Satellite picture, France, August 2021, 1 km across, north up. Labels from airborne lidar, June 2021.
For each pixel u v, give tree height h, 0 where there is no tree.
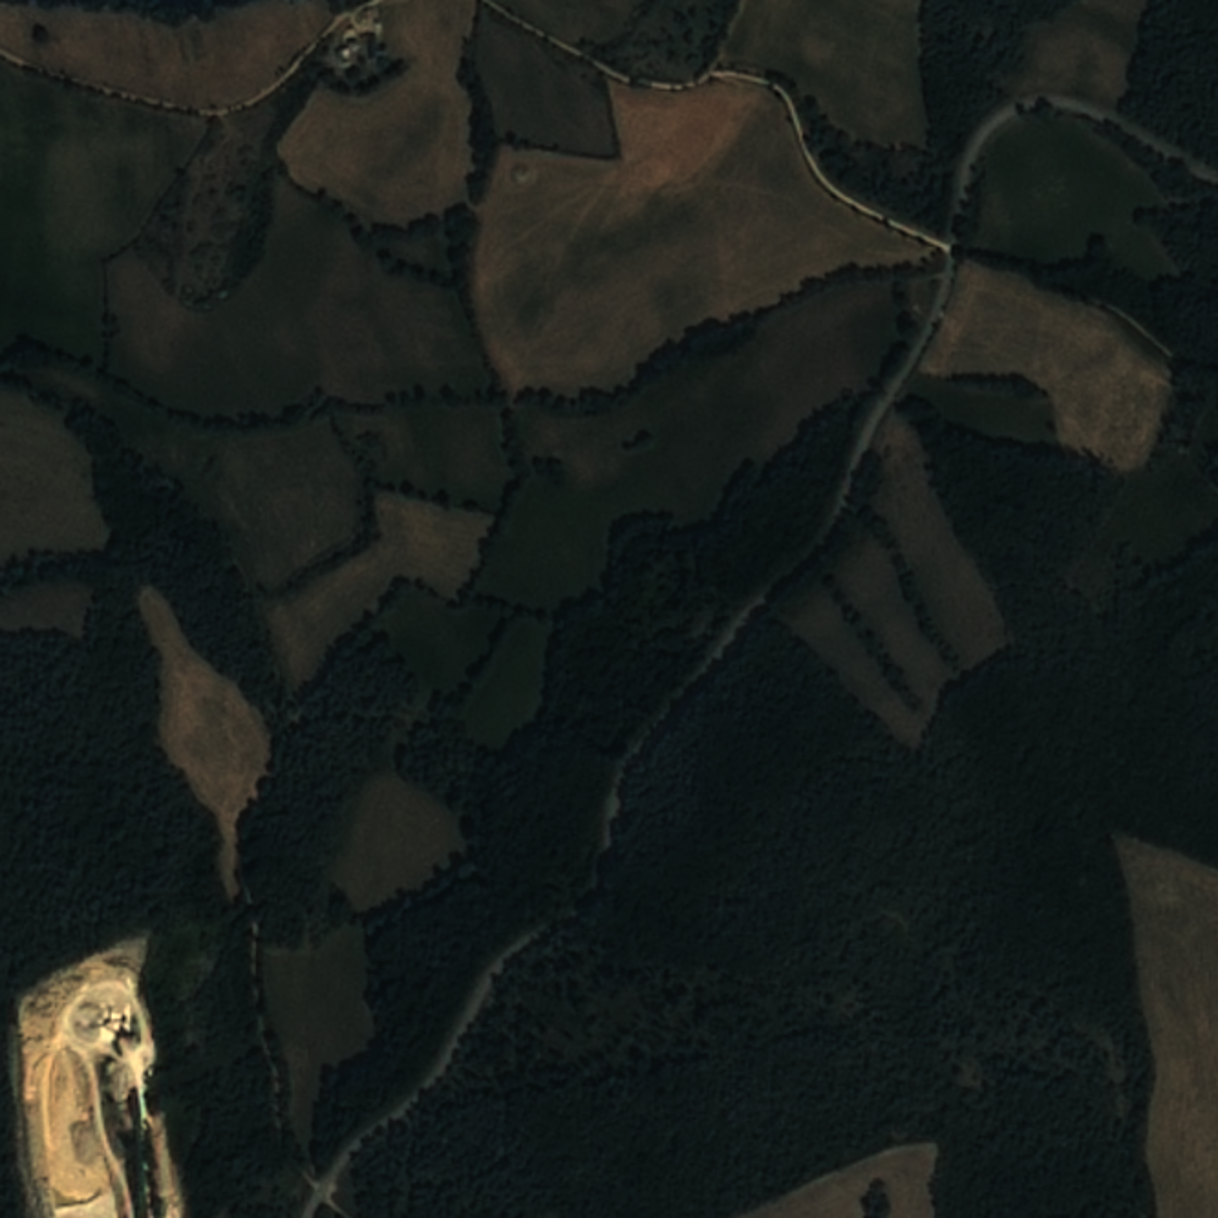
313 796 16
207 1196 9
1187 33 16
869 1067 11
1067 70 0
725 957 15
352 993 0
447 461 0
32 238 0
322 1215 11
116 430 16
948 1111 10
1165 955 0
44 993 0
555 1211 14
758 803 16
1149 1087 8
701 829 16
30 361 16
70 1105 0
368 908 0
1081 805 16
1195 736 16
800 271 0
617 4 0
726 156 0
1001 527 14
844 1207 0
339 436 6
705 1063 16
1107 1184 13
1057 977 10
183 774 8
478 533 0
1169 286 14
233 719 0
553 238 0
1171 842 14
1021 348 0
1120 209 0
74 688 10
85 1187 0
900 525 0
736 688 18
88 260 0
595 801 19
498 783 18
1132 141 14
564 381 0
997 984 10
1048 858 24
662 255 0
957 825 9
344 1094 18
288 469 0
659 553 11
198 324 0
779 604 11
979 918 11
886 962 10
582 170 0
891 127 0
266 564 0
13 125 0
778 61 0
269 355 0
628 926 23
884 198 11
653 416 0
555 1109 14
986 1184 7
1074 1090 12
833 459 14
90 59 0
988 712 19
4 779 10
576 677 10
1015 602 11
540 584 0
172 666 0
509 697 0
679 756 13
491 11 6
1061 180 0
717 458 0
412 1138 15
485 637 0
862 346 0
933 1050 13
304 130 0
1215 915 0
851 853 8
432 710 9
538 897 24
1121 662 13
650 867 23
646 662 9
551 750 21
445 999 11
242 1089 9
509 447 7
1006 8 12
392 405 11
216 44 0
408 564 0
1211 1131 0
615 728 9
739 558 18
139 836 21
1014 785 19
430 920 18
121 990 0
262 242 8
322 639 0
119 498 20
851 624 7
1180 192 16
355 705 15
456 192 0
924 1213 0
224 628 18
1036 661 8
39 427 0
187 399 0
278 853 24
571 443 0
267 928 15
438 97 0
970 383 10
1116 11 0
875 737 15
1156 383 0
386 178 0
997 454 19
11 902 11
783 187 0
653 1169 15
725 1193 13
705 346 16
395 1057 18
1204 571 20
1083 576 0
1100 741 17
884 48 0
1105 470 27
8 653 11
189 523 17
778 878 12
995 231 0
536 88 0
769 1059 12
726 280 0
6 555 0
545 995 9
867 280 9
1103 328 0
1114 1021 9
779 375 0
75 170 0
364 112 0
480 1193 14
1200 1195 0
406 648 0
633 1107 12
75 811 18
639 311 0
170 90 0
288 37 0
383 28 0
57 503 0
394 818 0
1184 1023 0
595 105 0
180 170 6
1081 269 14
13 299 0
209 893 15
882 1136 8
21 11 0
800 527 15
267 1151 12
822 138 9
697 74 6
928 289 0
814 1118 7
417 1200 12
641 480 0
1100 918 14
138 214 0
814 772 14
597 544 0
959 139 17
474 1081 13
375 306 0
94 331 0
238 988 11
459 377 0
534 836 21
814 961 8
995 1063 12
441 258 0
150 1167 10
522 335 0
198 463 0
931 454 11
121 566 15
